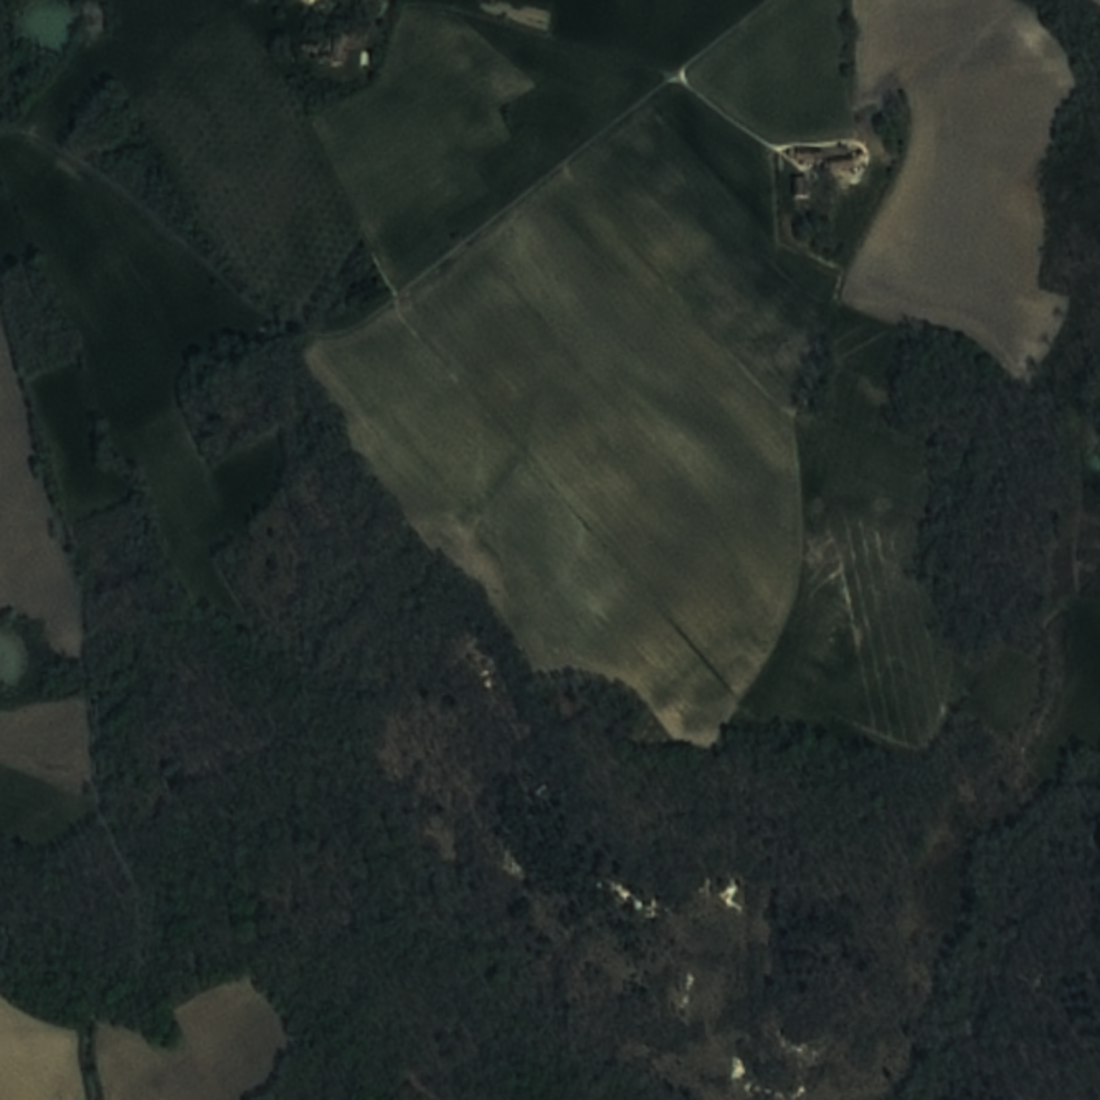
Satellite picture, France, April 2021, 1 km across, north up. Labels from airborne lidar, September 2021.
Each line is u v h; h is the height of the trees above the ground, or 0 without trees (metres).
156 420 0
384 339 0
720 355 0
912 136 0
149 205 8
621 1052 12
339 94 8
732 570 0
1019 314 0
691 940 0
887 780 19
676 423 0
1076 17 19
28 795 0
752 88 0
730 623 0
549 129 0
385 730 12
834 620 0
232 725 13
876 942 12
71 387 0
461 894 16
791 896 9
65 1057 0
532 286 0
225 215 9
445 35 0
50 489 16
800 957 10
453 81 0
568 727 13
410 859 21
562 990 11
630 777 18
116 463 18
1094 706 0
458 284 0
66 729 0
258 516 14
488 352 0
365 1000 20
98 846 16
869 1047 9
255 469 0
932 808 21
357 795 18
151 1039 14
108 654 16
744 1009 12
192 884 20
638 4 0
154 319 0
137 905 20
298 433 12
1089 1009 17
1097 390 20
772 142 0
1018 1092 15
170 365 0
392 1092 21
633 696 12
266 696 19
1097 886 17
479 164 0
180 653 15
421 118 0
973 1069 15
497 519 0
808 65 0
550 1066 16
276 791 19
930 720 0
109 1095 0
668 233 0
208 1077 0
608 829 15
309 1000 18
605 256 0
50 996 15
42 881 17
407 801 13
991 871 21
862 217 0
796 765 20
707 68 0
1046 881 16
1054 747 0
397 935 26
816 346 16
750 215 0
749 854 10
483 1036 25
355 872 20
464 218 0
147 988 19
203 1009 0
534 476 0
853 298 0
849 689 0
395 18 13
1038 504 18
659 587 0
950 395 18
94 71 0
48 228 0
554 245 0
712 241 0
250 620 16
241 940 20
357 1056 18
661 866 13
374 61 11
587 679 13
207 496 0
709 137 0
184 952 17
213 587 0
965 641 14
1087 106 15
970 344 12
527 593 0
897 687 0
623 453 0
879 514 0
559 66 0
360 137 0
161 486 0
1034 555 14
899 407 18
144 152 10
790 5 0
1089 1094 15
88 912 18
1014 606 13
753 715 0
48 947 21
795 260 0
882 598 0
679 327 0
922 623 0
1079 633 0
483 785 12
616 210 0
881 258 0
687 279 0
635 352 0
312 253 12
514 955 24
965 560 11
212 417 6
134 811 11
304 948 20
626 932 8
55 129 0
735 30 0
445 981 18
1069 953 10
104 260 0
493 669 11
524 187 0
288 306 10
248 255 9
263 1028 0
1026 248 0
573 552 0
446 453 0
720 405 0
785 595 0
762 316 0
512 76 0
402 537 17
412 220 0
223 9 0
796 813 12
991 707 0
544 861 21
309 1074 15
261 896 22
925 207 0
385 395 0
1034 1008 15
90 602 12
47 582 0
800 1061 0
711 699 0
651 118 0
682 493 0
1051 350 15
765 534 0
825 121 0
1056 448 17
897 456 0
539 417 0
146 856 15
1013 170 0
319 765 22
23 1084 0
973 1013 11
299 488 14
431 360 0
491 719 10
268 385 18
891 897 13
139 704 14
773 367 0
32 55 20
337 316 13
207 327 0
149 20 0
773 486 0
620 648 0
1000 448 11
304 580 14
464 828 9
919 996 10
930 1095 19
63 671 20
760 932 0
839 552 0
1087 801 23
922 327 15
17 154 0
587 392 0
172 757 7
